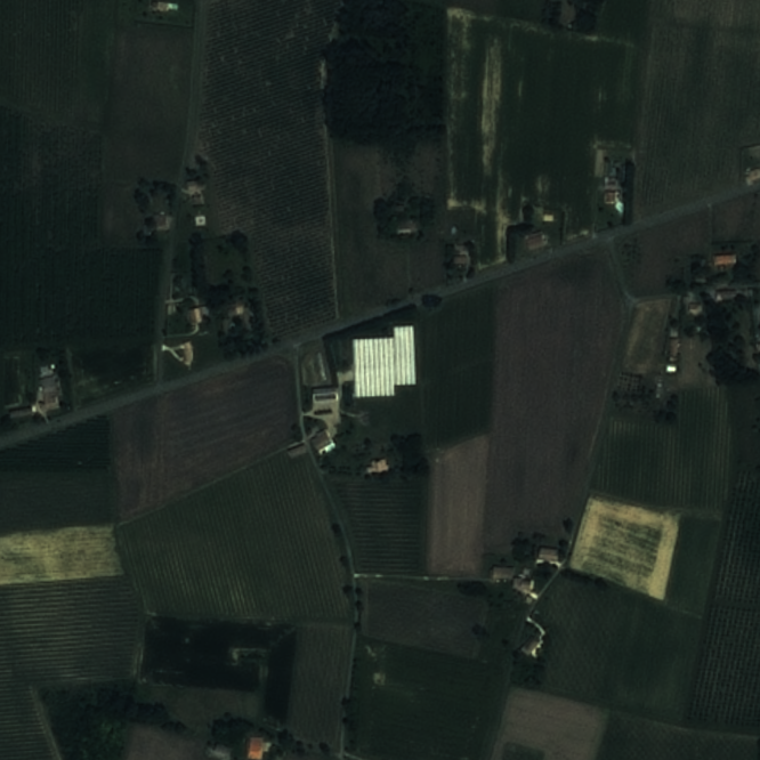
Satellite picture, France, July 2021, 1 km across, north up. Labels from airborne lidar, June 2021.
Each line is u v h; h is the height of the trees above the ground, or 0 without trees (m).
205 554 0
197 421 0
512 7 0
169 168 0
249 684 0
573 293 0
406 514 0
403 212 10
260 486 0
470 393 0
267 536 0
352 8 16
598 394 0
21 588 0
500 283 0
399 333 0
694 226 0
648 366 0
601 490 0
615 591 0
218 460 0
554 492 0
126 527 0
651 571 0
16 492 0
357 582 0
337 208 0
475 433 0
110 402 0
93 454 6
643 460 0
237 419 0
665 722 0
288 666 0
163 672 0
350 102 18
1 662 0
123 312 6
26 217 6
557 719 0
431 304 24
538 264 0
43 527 0
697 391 0
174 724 11
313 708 0
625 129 0
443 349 0
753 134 0
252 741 0
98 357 0
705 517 0
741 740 0
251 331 14
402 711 0
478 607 0
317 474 0
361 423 0
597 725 0
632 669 0
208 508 0
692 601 0
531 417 0
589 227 0
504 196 0
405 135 11
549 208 0
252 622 0
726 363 16
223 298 7
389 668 0
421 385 0
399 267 0
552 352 0
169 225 0
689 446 0
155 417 0
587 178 0
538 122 0
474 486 0
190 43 0
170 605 0
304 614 0
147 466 0
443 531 0
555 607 0
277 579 0
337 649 0
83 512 0
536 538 11
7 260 6
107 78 0
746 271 12
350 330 12
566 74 0
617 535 0
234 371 0
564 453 0
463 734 0
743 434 0
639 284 0
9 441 0
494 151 0
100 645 0
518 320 0
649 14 0
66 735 7
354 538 0
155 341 0
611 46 0
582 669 0
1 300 6
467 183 0
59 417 0
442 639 0
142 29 0
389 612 0
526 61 0
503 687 0
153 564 0
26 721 0
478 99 0
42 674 0
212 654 0
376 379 0
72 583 0
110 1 0
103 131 0
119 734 14
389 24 14
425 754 0
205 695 0
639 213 0
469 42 0
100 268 6
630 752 0
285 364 0
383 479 11
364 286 0
